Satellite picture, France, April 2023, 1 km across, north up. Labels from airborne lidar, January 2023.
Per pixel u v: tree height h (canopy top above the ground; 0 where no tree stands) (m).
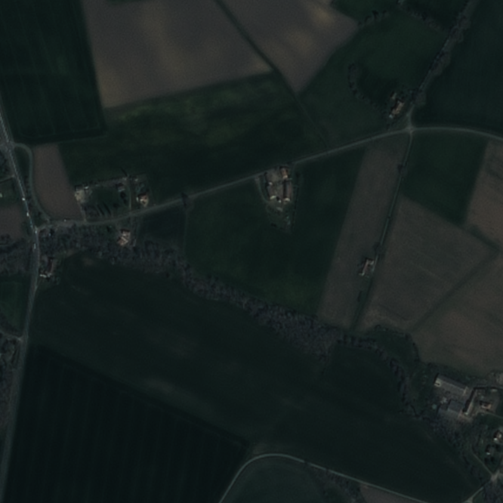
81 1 0
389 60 0
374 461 0
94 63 0
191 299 0
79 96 0
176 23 0
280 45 0
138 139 0
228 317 0
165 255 7
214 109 0
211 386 0
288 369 0
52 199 0
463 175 0
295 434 0
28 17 0
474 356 0
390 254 0
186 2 0
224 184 0
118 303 0
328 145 0
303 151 0
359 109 0
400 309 0
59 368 0
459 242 0
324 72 0
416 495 0
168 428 0
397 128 0
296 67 0
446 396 0
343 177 0
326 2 0
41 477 0
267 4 0
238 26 0
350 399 0
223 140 0
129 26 0
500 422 0
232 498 0
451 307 0
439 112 0
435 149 0
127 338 0
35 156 0
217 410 0
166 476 0
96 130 0
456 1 0
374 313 0
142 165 0
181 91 0
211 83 0
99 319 0
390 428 0
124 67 0
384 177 0
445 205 0
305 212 0
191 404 0
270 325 7
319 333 18
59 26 0
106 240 17
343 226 0
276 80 0
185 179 0
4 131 0
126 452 0
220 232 0
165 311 0
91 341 0
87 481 0
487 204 0
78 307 0
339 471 0
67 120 0
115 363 0
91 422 0
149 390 0
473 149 0
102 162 0
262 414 0
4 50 0
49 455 0
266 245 0
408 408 12
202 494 0
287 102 0
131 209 0
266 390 0
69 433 0
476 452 13
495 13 0
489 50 0
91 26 0
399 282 0
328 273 0
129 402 0
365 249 0
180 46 0
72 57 0
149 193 11
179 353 0
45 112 0
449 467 0
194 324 0
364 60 0
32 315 0
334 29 0
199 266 0
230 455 0
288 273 0
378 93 0
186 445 0
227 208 0
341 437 0
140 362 0
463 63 0
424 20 6
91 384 0
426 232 0
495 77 0
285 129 0
